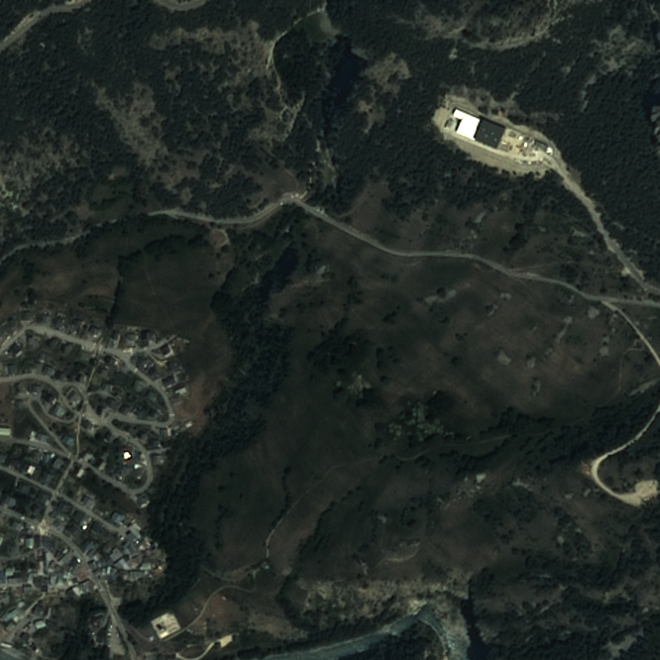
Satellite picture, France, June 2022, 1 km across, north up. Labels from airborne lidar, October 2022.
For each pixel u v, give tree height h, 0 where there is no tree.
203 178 8
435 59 10
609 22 13
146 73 9
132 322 0
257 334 13
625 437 17
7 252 17
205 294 0
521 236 12
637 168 7
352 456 0
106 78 7
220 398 9
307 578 0
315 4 8
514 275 0
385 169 10
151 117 8
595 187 10
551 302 0
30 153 8
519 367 0
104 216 0
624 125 10
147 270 0
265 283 21
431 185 10
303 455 0
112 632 0
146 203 11
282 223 10
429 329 0
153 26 8
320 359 16
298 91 17
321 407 0
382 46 9
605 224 9
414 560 0
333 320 0
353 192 12
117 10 18
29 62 11
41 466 6
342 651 0
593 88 8
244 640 0
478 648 11
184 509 9
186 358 0
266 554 0
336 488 0
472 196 8
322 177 15
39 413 0
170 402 0
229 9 15
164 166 8
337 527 0
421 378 0
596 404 0
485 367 0
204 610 0
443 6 6
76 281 0
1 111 14
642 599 0
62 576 0
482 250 0
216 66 7
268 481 0
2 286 0
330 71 14
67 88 13
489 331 0
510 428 16
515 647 8
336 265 0
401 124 10
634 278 0
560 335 0
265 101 8
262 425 9
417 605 0
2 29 12
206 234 14
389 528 0
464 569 0
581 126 9
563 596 7
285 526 0
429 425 5
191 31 8
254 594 0
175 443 6
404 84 8
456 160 11
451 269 0
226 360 0
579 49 9
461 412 0
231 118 11
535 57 12
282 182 0
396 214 7
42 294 0
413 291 0
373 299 0
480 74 8
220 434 20
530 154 0
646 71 11
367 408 15
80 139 13
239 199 13
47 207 10
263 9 14
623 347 0
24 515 16
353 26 11
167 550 16
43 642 0
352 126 10
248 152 14
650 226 6
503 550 0
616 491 8
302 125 11
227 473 0
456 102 0
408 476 0
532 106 10
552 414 0
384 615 15
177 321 0
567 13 7
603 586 13
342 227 0
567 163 12
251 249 12
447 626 0
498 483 0
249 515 0
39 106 16
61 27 14
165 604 13
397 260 0
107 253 0
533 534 0
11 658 0
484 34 6
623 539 7
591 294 0
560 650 14
